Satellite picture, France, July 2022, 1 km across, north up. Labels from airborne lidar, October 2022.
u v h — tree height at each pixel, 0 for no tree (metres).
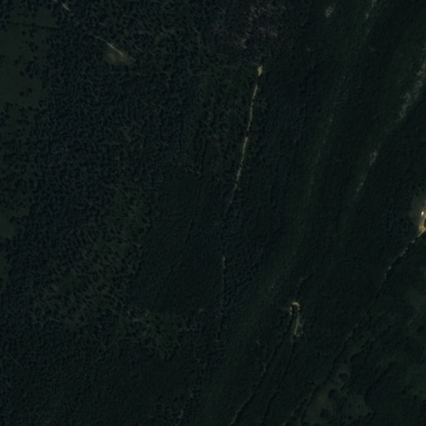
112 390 21
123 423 17
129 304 28
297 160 20
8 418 11
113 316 22
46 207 11
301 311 10
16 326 21
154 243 21
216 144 12
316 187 11
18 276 20
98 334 26
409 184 20
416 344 6
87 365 16
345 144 23
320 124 14
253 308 9
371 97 26
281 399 24
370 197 24
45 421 17
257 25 31
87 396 20
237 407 26
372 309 12
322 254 24
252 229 12
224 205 27
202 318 27
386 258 24
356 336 8
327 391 0
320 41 23
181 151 16
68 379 18
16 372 19
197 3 22
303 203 15
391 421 20
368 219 27
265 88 22
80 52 12
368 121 25
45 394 7
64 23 22
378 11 15
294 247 11
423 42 10
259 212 13
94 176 20
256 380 24
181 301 26
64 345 21
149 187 10
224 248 24
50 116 14
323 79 30
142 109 21
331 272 15
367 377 17
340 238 22
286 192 22
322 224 20
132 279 21
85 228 9
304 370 30
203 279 24
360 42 11
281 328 22
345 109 14
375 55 28
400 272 22
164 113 27
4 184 15
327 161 12
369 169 12
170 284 20
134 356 22
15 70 0
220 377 16
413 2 25
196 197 25
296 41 19
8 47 0
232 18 19
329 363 30
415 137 24
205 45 21
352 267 27
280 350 17
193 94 21
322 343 28
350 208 14
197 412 14
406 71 10
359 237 27
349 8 14
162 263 20
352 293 23
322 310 33
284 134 22
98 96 0
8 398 21
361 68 19
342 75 11
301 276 26
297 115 23
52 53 9
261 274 11
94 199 12
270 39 25
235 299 23
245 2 22
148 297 20
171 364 18
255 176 22
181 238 19
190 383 21
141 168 16
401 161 24
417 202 0
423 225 0
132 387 21
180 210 25
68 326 11
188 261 26
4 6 21
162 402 26
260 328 21
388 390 29
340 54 10
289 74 28
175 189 14
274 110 18
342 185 22
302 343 23
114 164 22
